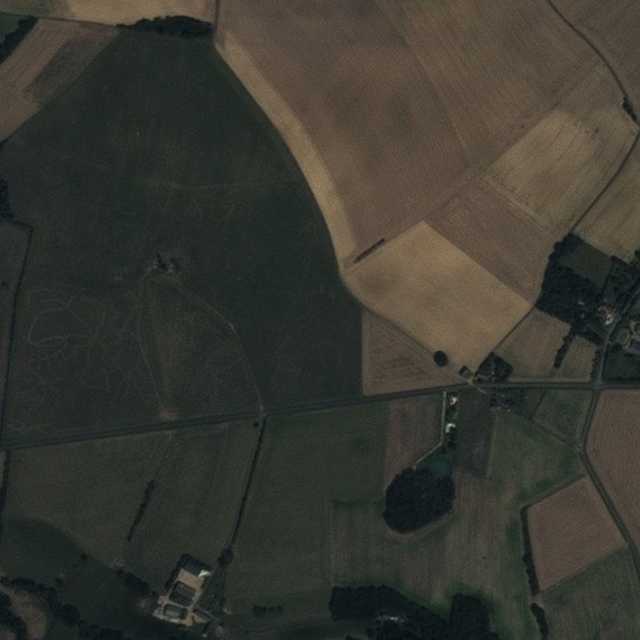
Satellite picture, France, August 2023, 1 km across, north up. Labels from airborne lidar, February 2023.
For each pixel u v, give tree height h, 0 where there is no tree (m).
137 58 0
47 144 0
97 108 0
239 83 0
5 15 0
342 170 0
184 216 0
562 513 0
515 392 0
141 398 0
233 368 0
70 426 0
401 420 0
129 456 0
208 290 0
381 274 0
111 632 13
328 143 0
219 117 0
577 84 0
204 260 0
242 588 0
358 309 0
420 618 19
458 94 0
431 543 0
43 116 0
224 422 0
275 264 0
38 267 0
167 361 0
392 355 0
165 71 0
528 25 0
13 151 0
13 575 0
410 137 0
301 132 0
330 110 0
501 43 0
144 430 0
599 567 0
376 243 0
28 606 0
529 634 0
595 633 0
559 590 0
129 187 0
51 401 0
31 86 0
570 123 0
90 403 0
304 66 0
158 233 0
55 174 0
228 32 0
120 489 0
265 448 0
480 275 0
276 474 0
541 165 0
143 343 0
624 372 0
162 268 8
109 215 0
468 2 0
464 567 0
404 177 0
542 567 0
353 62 0
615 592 0
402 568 0
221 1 0
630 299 9
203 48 0
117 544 0
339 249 0
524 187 0
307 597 0
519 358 0
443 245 0
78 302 0
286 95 0
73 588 0
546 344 0
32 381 0
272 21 0
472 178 0
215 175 0
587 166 0
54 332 0
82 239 0
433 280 0
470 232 0
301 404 0
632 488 0
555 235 0
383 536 0
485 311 0
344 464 0
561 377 0
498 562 0
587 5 0
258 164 0
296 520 0
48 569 0
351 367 0
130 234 0
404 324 0
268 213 0
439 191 0
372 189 0
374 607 23
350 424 0
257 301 0
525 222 0
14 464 0
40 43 0
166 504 0
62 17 0
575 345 0
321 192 0
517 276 0
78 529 0
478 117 0
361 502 0
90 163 0
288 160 0
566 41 0
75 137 0
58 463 0
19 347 0
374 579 0
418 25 0
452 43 0
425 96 0
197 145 0
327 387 0
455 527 0
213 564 0
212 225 0
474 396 0
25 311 0
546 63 0
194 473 0
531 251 0
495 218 0
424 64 0
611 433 0
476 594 0
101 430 0
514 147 0
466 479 0
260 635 0
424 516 13
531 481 0
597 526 0
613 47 0
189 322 0
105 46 0
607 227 0
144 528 0
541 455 0
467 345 0
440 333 0
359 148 0
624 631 0
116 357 0
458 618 13
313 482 0
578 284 9
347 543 0
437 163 0
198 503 0
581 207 0
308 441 0
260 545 0
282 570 0
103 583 0
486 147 0
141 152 0
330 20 0
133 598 0
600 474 0
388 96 0
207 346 0
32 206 0
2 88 0
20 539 0
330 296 0
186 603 0
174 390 0
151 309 0
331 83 0
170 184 0
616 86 0
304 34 0
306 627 0
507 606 0
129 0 0
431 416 0
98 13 0
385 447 0
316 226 0
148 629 0
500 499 0
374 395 0
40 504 0
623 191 0
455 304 0
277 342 0
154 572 0
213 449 0
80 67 0
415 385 0
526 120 0
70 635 0
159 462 0
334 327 0
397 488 15
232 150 0
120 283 0
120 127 0
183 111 0
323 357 0
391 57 0
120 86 0
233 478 0
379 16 0
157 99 0
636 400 0
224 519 0
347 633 0
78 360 0
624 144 0
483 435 0
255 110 0
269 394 0
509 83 0
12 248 0
